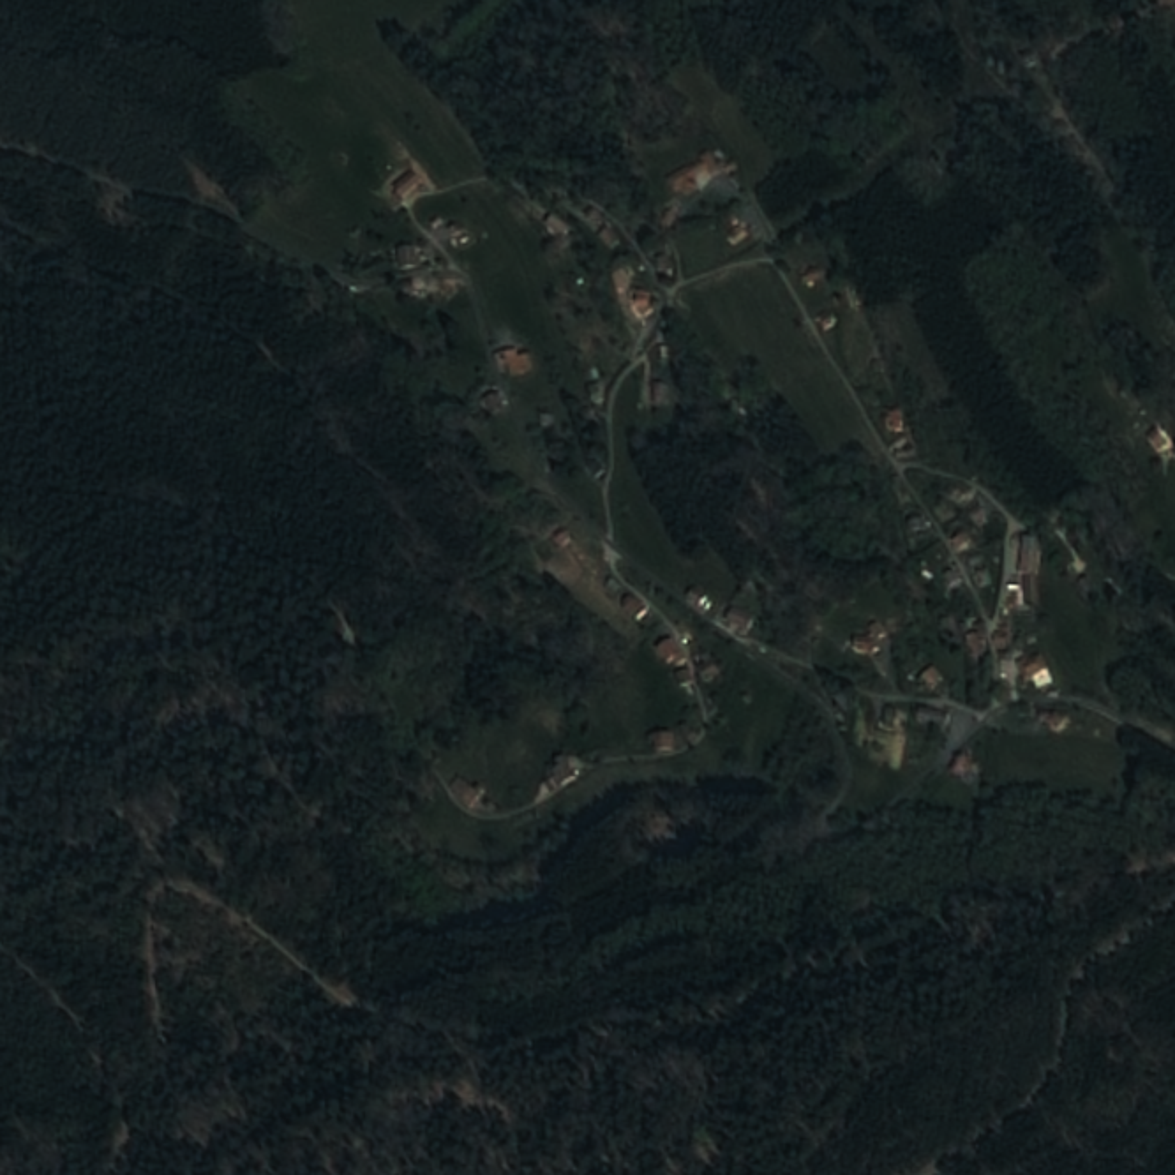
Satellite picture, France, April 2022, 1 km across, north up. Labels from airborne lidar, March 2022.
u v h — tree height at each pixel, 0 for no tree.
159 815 26
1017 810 13
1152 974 10
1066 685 0
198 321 16
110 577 28
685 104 14
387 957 10
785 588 16
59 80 17
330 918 12
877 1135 18
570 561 0
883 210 8
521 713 10
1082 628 0
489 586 11
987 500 0
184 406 19
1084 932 13
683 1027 14
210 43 11
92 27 15
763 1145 9
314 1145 9
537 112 21
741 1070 14
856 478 21
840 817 7
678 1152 24
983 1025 17
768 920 18
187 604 29
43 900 22
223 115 16
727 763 6
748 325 0
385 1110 27
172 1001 10
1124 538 32
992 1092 18
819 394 0
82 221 23
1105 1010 22
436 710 14
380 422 7
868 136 27
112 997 18
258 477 23
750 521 27
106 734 23
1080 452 14
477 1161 32
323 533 23
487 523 10
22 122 16
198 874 8
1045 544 14
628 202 24
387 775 16
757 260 0
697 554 23
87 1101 23
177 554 28
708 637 14
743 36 22
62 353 18
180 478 25
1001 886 11
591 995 21
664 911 18
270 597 16
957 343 8
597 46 27
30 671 11
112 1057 17
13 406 19
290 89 0
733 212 12
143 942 14
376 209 0
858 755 0
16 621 26
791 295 0
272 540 25
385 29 0
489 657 9
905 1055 19
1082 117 17
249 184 16
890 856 15
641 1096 26
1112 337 12
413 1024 27
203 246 18
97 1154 19
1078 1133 17
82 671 10
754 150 0
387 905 14
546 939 32
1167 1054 18
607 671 16
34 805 23
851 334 0
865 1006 30
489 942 35
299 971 0
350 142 0
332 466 17
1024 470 10
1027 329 19
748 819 29
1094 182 16
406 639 31
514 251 0
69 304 21
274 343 24
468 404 7
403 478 12
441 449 9
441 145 0
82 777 27
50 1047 20
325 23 0
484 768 0
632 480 0
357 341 16
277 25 26
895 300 9
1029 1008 15
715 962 9
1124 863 14
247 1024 14
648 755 0
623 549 0
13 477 26
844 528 21
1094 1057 17
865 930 15
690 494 20
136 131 16
